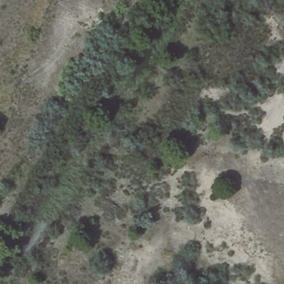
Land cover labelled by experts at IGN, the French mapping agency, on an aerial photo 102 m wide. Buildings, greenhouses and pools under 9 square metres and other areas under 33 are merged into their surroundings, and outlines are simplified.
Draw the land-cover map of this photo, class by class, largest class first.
<instances>
[{"label":"brushwood","instance_id":"1","mask_svg":"<svg viewBox=\"0 0 284 284\"><path fill-rule=\"evenodd\" d=\"M116 8L110 13L100 12L101 21L105 24L128 22L129 11L139 0H114ZM179 8L173 23L160 39L146 45V49L152 52L149 63L139 77L133 72L124 75L118 72L90 75V81L81 84V93L72 95V101L61 97L45 100L40 113L32 119L30 130L24 138V149L20 152L22 159L12 166L0 186V284H120L118 274L122 264L113 252L115 246L124 245L128 237L130 240H139L146 229H150L152 222L160 220V203L170 197V184L165 181L164 176L174 175L186 165L187 159L191 158L189 152H181L176 142L168 140L171 131L184 129L192 135H197V130H209L207 139L213 141L230 134L231 142L240 146L243 154L252 150L260 151L262 162L284 158V122L273 130L271 139H266L263 130L257 129V126L262 123L266 112L257 108V103H264L275 94L284 95V14H276L275 8L257 11V0H177ZM181 183L184 191L175 195V199L182 203V206L173 207L175 221L197 224L206 212L205 207L201 206L199 194L196 193L199 181L195 172H184ZM211 265L200 257L197 263L191 260V266L186 270L187 275L192 278L201 277V268ZM255 271L254 265L239 263L230 266L231 284H251L250 276Z\"/></svg>","mask_w":284,"mask_h":284},{"label":"herbaceous vegetation","instance_id":"2","mask_svg":"<svg viewBox=\"0 0 284 284\"><path fill-rule=\"evenodd\" d=\"M116 8L114 0H0V186L12 166L22 159L20 152L24 149V138L30 130L32 119L40 113L45 100L61 97L59 82L62 81L63 67H67L71 57L82 52L87 32L97 29L101 21L100 12L110 13ZM257 108L266 112L262 123L257 126V129L263 130L266 139H271L273 130L284 122V95L275 94L264 103H257ZM209 130H197V135H192L184 129L171 131L168 140L176 142L181 152H189L191 158L187 159L186 165L174 175L164 176L165 181L170 184V197L160 203V220L152 222L150 229H146L139 240H130L128 237L124 245L115 246L113 252L122 264L118 274L120 284H142L144 275L151 276L159 267L173 261V256L179 253L182 244L191 240L199 241L202 245L200 257L211 265L227 263L230 266L239 263L254 265L255 271L250 276L251 284H284V158L262 162L260 151L252 150L243 154L240 146L231 142L230 134L213 141L207 139ZM184 172H195L199 181L196 193L199 194L201 206L205 207L206 212L197 224L175 221L173 207L182 206V203L175 199V195L184 191L181 183ZM215 177L223 180L225 185L232 186L236 192L229 200H211Z\"/></svg>","mask_w":284,"mask_h":284},{"label":"deciduous trees","instance_id":"3","mask_svg":"<svg viewBox=\"0 0 284 284\"><path fill-rule=\"evenodd\" d=\"M179 8L177 0H139L129 11L128 22L105 24L101 21L97 29L87 32L82 52L71 57L67 67H63L62 81L59 82L61 97L72 101V95L81 93V84L90 81V75L118 72L124 75L133 72L135 61L143 57V51L146 49V45L160 39L173 23ZM275 8L276 14H284V0H257V11ZM236 192L232 186L225 185L223 180L215 177L211 200H229ZM202 245L199 241L191 240L182 244L179 253L173 256V261L159 267L151 276L144 275L142 284H231L230 266L227 263L211 265L201 268V277L192 278L187 275L186 270L191 266V260L197 263L200 257Z\"/></svg>","mask_w":284,"mask_h":284},{"label":"water","instance_id":"4","mask_svg":"<svg viewBox=\"0 0 284 284\"><path fill-rule=\"evenodd\" d=\"M152 52L146 49L143 51V57L135 61L133 72L139 77L149 63Z\"/></svg>","mask_w":284,"mask_h":284}]
</instances>
